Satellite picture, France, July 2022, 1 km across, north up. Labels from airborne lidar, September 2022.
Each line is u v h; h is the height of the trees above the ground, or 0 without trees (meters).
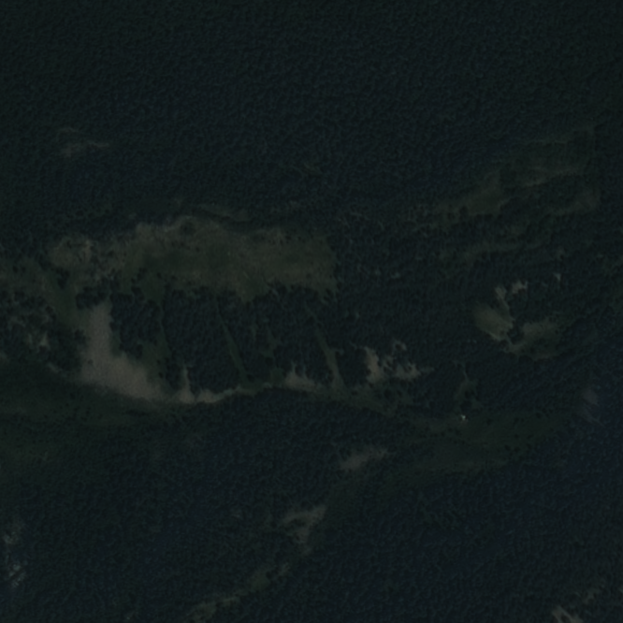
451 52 20
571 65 27
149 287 0
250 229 0
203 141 18
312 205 7
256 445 18
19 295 19
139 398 0
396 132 21
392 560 28
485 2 24
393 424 19
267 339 15
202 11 14
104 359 0
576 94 10
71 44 16
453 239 16
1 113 14
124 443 19
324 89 21
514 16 24
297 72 16
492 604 18
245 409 20
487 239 7
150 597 7
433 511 18
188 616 8
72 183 10
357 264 31
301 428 23
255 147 21
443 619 12
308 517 0
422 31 30
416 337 13
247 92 19
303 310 18
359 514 11
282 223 9
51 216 7
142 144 7
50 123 8
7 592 7
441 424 0
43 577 10
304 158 15
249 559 9
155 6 14
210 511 12
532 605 25
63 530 10
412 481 7
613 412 19
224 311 16
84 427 8
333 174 15
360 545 24
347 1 15
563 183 13
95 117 6
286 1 17
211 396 0
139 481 23
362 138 20
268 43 15
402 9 23
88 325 0
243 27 21
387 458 8
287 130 20
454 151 15
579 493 34
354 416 15
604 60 18
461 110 24
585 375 10
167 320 18
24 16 17
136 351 19
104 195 8
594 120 8
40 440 7
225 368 21
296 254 0
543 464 21
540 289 14
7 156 6
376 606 21
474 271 27
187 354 20
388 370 14
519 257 24
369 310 15
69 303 0
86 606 9
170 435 10
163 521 7
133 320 17
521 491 19
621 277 14
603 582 6
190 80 16
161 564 7
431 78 22
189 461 7
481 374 18
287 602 9
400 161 24
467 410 23
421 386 16
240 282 0
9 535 14
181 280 0
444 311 19
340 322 21
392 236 11
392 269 17
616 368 23
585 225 24
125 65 18
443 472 9
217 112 18
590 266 19
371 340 21
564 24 22
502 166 10
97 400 0
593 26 22
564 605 25
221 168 9
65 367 16
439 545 28
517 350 0
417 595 22
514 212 17
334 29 19
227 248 0
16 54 17
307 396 20
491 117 29
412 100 22
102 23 13
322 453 30
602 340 9
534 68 16
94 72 20
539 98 20
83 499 17
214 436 10
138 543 12
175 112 22
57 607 16
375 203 10
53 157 9
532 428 0
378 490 14
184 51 18
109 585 19
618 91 25
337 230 8
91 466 11
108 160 10
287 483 33
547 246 22
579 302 12
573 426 9
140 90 18
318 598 8
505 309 0
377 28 22
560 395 19
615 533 26
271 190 11
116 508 10
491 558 27
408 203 7
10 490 5
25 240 16
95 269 8
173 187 8
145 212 8
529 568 29
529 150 11
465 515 6
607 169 26
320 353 17
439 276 11
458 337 20
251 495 26
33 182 10
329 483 21
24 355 16
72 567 7
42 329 10
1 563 8
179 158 7
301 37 17
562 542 31
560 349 11
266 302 28
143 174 9
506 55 24
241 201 8
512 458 6
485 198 0
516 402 20
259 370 24
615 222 23
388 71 28
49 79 14
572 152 7
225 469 21
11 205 9
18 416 11
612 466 23
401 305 22
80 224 11
